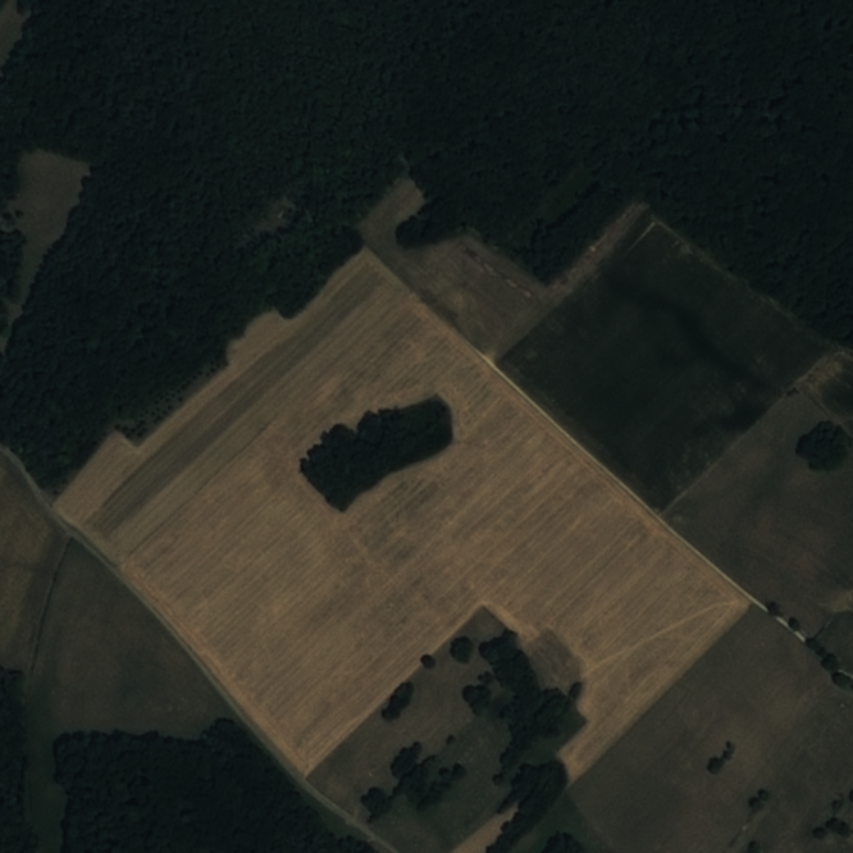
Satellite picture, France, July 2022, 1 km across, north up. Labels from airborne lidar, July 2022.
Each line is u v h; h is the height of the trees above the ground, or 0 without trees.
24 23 0
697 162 29
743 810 0
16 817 26
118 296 23
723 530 0
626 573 0
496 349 0
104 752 29
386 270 0
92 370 23
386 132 19
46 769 0
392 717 9
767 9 29
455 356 0
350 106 18
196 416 0
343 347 0
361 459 21
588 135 19
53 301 22
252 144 18
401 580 0
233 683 0
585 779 0
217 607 0
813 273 28
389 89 19
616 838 0
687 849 0
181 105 22
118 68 28
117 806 20
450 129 27
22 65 25
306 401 0
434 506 0
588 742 0
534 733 13
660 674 0
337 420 0
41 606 0
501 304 0
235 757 24
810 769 0
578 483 0
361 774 0
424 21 22
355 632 0
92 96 24
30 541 0
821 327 21
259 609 0
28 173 0
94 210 14
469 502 0
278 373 0
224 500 0
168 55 23
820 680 0
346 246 22
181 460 0
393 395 0
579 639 0
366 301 0
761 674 0
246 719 0
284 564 0
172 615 0
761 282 20
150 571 0
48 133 25
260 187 18
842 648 0
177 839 30
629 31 22
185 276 21
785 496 0
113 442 0
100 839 27
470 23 25
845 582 0
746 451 0
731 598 0
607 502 0
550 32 18
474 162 25
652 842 0
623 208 11
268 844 25
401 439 25
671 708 0
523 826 18
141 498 0
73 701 0
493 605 0
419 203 0
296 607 0
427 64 22
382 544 0
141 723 0
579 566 0
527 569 0
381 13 18
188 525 0
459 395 0
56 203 0
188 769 31
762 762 0
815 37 28
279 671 0
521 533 0
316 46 19
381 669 0
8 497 0
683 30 23
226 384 0
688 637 0
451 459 0
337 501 15
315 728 0
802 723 0
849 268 21
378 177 25
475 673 0
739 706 0
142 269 23
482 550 0
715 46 26
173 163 24
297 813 20
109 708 0
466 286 0
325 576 0
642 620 0
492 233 19
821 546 0
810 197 30
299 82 18
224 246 25
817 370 0
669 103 22
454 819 0
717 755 0
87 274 17
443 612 0
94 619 0
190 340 20
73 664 0
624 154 24
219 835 22
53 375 20
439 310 0
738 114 26
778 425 0
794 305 17
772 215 24
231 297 20
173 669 0
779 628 0
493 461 0
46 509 0
